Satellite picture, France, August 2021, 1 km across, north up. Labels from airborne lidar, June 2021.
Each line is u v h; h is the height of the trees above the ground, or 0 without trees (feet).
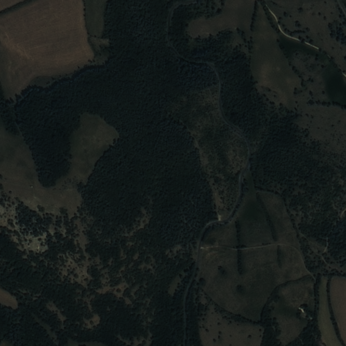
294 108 0
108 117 43
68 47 0
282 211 0
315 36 0
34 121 42
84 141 0
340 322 0
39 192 0
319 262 18
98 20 0
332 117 0
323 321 0
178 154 45
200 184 41
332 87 0
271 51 0
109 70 65
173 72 52
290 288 0
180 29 29
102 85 49
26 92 37
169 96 41
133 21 35
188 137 33
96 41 0
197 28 0
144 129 44
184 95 27
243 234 0
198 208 40
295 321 0
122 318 39
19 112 51
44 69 0
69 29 0
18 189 0
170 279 40
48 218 24
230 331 0
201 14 30
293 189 31
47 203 0
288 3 0
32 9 0
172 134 47
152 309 21
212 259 0
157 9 51
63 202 0
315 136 0
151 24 45
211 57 41
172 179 49
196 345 28
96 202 28
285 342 0
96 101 51
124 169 47
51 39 0
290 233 0
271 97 0
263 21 0
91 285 24
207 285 0
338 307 0
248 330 0
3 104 33
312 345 22
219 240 0
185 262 27
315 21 0
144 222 21
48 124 52
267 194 0
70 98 36
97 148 0
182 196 38
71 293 32
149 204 28
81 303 30
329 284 22
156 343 45
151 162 40
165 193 45
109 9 39
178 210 35
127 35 46
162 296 46
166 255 34
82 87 41
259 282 0
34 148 44
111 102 47
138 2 29
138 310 31
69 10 0
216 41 24
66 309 37
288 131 19
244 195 24
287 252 0
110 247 31
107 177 26
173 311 38
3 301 0
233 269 0
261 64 0
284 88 0
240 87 46
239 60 52
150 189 30
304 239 21
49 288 44
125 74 45
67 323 33
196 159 41
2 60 0
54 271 34
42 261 29
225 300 0
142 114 44
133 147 37
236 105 41
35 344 41
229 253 0
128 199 29
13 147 0
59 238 34
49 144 52
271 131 23
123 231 22
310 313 24
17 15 0
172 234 34
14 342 26
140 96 43
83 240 0
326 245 22
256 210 0
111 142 0
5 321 45
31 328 46
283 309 0
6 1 0
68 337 39
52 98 43
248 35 0
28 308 44
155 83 47
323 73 0
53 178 31
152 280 35
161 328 43
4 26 0
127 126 39
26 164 0
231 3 0
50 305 0
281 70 0
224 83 29
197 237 33
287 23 0
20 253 34
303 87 43
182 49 46
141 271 31
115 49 63
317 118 0
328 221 22
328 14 0
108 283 18
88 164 0
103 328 39
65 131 54
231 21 0
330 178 21
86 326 23
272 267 0
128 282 25
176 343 32
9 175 0
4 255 38
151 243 37
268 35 0
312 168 20
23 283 43
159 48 44
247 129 34
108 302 39
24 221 36
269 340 24
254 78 38
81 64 0
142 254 34
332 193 25
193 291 28
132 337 35
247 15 0
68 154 23
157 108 47
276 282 0
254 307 0
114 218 28
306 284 0
